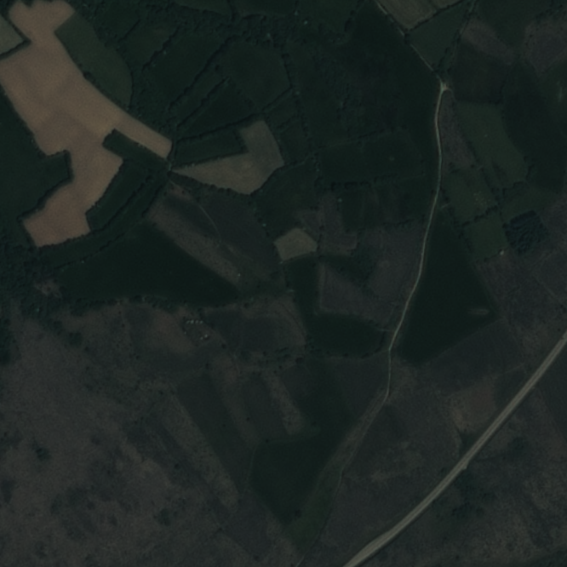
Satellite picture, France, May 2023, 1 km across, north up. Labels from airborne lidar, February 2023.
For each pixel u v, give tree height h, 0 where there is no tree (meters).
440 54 0
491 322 0
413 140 0
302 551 0
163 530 0
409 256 0
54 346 0
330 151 0
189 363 0
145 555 0
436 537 0
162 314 0
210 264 0
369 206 0
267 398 0
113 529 0
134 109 11
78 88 0
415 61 0
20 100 0
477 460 0
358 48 0
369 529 0
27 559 0
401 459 0
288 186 0
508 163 0
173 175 13
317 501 0
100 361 0
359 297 0
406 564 0
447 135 0
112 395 0
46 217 0
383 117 0
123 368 0
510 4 0
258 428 0
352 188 13
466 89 0
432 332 0
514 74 0
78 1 8
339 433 0
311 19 6
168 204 0
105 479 0
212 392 0
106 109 0
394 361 0
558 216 0
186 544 0
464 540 0
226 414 0
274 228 0
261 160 0
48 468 0
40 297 8
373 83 0
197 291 0
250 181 0
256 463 0
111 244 7
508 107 0
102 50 0
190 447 0
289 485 0
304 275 0
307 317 0
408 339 0
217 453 0
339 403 0
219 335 0
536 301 0
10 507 0
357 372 0
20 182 0
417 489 0
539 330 0
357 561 0
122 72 0
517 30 0
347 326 0
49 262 9
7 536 0
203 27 12
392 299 0
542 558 0
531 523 0
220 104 0
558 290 0
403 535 0
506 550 0
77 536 0
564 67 0
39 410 0
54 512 0
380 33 0
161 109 9
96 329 0
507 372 0
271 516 0
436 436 0
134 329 0
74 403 0
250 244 0
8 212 0
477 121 0
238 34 9
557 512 0
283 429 0
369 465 0
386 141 0
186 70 0
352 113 6
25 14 0
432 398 0
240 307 0
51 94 0
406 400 0
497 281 0
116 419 0
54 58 0
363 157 0
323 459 0
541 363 0
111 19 0
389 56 0
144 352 0
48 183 0
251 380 0
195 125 0
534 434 0
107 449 0
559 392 0
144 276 0
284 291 0
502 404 0
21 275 9
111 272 0
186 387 0
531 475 0
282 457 0
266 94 0
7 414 0
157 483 0
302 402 0
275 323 0
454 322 0
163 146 0
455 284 0
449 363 0
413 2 0
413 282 0
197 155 0
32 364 0
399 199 0
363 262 7
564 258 0
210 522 0
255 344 0
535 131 0
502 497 0
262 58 0
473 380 0
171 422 0
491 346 0
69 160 8
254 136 0
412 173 0
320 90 0
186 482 0
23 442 0
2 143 0
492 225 0
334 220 0
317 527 0
